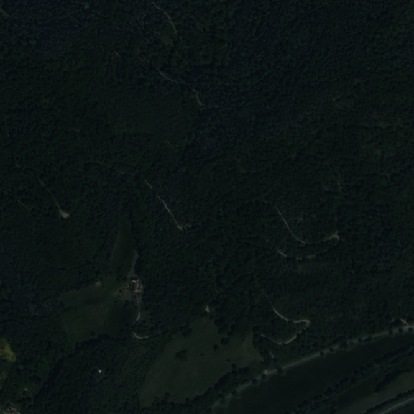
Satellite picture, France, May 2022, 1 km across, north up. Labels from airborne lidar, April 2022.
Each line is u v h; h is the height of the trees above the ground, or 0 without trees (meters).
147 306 8
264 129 20
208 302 14
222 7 29
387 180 16
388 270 20
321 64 19
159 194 17
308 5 21
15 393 9
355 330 18
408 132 6
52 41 35
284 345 12
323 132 24
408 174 19
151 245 15
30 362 21
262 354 16
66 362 25
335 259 14
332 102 9
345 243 11
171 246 14
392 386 0
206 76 40
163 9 25
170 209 11
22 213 12
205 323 0
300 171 15
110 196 30
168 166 8
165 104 6
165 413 12
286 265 12
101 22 16
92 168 25
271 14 30
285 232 15
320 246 14
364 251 23
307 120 20
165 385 0
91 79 19
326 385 0
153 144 10
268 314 20
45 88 14
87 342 7
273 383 0
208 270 20
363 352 0
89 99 17
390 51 23
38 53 25
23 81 20
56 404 19
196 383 0
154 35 16
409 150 6
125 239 0
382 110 16
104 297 0
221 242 20
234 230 17
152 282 13
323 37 14
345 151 24
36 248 6
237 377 15
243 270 14
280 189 18
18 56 11
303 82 19
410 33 25
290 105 18
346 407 0
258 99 13
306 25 16
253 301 29
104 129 14
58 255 8
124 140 15
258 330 22
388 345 0
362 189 25
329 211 22
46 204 9
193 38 24
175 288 11
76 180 14
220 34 37
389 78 13
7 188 15
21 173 22
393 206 21
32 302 18
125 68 32
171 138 6
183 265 9
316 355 0
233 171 19
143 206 14
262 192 18
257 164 17
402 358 16
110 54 25
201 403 23
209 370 0
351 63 12
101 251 22
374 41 15
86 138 23
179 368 0
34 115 16
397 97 12
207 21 24
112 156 19
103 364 15
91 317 0
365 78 15
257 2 25
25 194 24
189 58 30
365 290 13
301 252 12
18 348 15
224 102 39
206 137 23
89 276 17
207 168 17
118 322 0
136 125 7
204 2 25
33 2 27
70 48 12
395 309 23
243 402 0
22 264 8
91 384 17
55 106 9
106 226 25
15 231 13
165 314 18
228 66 35
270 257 16
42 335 23
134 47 24
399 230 17
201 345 0
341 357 0
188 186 14
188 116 9
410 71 20
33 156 18
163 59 15
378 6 11
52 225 7
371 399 0
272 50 16
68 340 21
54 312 16
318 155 22
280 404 0
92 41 16
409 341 0
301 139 13
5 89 22
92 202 23
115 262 0
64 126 28
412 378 0
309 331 19
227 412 0
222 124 12
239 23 33
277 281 12
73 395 17
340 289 8
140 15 27
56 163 15
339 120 11
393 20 22
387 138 14
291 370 0
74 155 25
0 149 24
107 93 6
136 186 8
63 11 28
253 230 22
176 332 13
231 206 20
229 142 15
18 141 15
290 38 13
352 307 14
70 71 18
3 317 19
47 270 7
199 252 10
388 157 9
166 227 15
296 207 9
